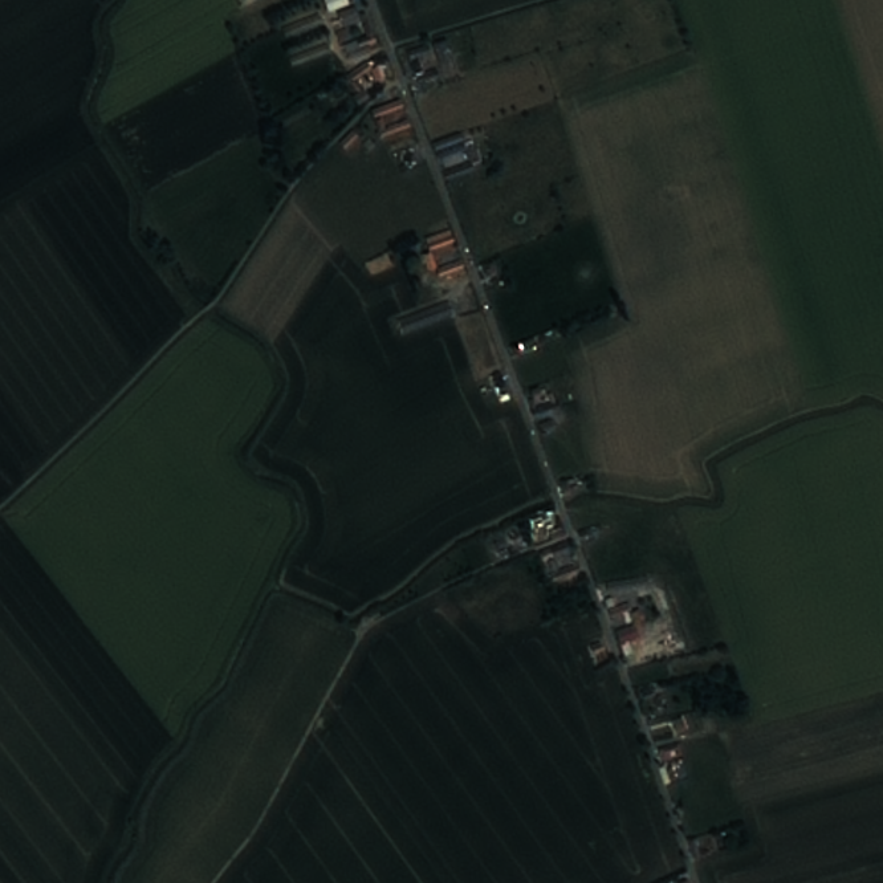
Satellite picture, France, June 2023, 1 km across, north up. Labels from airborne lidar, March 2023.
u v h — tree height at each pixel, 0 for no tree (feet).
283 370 0
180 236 0
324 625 0
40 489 0
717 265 0
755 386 0
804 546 0
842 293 0
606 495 0
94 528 0
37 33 0
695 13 0
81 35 0
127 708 0
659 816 0
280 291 0
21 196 0
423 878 0
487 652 0
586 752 0
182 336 0
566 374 0
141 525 0
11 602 0
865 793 0
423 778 0
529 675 0
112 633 0
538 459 0
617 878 0
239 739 0
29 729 0
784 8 0
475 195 0
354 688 0
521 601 0
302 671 0
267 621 0
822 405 0
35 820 0
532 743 0
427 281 0
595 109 0
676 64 0
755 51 0
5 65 0
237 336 0
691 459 0
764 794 0
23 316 0
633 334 0
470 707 0
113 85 0
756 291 0
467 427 0
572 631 0
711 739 0
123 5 0
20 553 0
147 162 0
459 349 0
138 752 0
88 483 0
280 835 0
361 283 0
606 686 0
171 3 0
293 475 0
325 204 0
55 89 0
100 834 0
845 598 0
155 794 0
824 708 0
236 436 0
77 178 0
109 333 0
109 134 0
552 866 0
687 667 0
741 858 0
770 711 0
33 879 0
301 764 0
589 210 0
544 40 0
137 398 0
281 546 0
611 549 0
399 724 0
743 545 0
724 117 0
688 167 0
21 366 0
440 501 0
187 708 0
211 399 0
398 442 0
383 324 0
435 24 0
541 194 0
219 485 0
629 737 0
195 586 0
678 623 0
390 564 0
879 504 0
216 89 0
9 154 0
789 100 0
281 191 41
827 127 0
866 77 0
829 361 0
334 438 0
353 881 0
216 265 0
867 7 0
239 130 0
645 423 0
